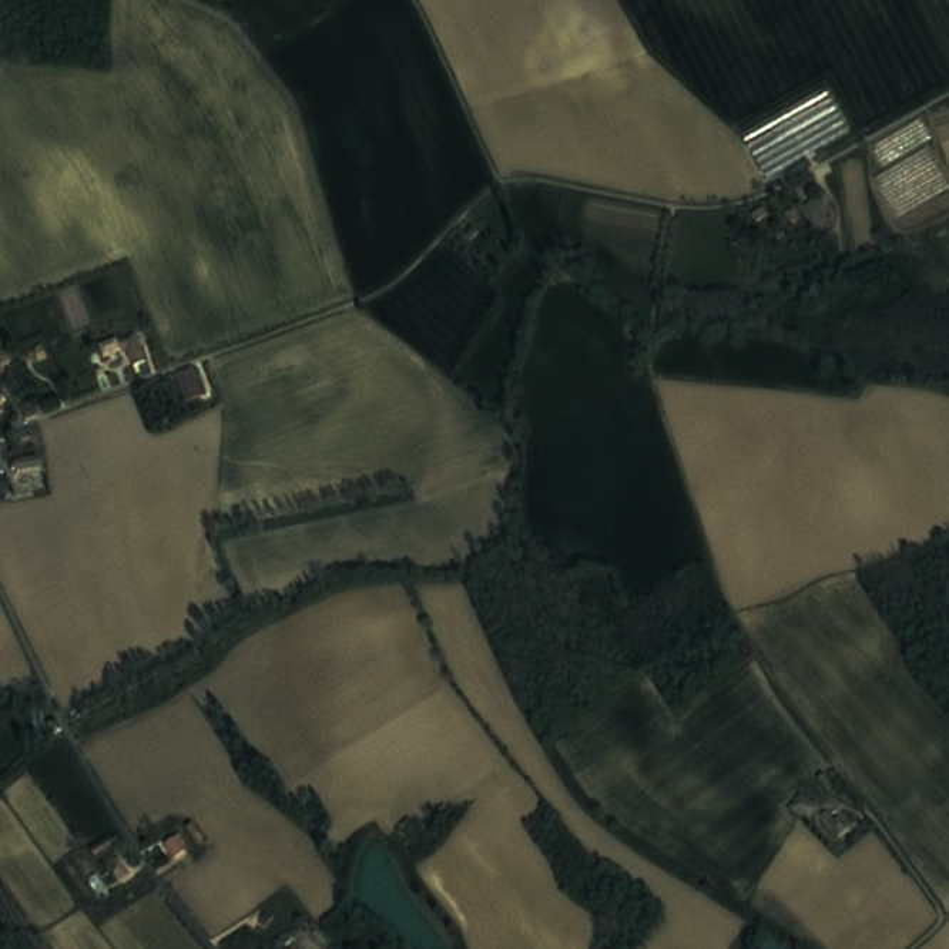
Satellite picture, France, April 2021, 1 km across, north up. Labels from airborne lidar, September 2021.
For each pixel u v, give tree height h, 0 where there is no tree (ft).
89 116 0
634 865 0
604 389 0
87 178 0
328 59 0
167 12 0
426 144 0
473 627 0
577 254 41
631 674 62
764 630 0
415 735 0
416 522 0
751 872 0
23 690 62
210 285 0
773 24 0
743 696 0
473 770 0
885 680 0
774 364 0
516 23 0
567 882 23
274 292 0
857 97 0
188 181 0
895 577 34
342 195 0
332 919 31
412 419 0
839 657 0
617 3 0
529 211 0
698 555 0
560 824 45
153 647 0
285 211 0
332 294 0
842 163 0
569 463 0
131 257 0
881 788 0
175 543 0
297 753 0
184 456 0
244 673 0
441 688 0
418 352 0
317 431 0
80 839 69
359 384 0
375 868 0
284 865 0
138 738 0
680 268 0
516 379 36
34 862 0
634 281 0
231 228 0
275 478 0
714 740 0
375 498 73
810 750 0
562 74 0
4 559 0
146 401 39
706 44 0
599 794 0
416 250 0
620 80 0
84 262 0
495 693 0
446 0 0
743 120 0
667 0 0
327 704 0
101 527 0
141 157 0
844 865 0
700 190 0
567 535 0
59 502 0
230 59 0
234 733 74
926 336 20
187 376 0
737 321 46
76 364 0
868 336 30
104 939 0
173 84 0
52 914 0
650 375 26
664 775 0
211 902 0
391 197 0
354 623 0
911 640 32
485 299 0
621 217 0
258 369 0
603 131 0
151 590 0
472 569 50
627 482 0
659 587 22
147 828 53
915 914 0
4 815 0
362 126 0
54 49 55
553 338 0
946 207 0
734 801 0
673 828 0
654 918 82
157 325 0
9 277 0
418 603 44
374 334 0
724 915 0
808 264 35
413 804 0
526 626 71
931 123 0
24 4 52
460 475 0
